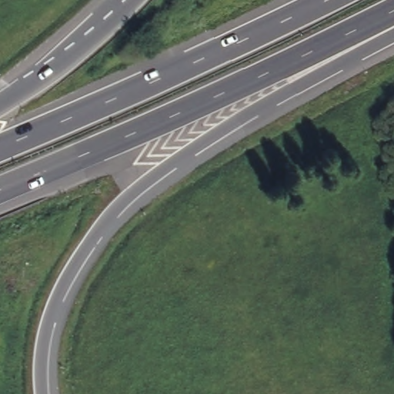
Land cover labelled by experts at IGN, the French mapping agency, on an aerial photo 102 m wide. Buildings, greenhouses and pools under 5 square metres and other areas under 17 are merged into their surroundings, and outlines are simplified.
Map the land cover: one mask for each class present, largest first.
<instances>
[{"label":"herbaceous vegetation","instance_id":"1","mask_svg":"<svg viewBox=\"0 0 394 394\"><path fill-rule=\"evenodd\" d=\"M89 0H0V77L29 52L34 51L40 43L45 42L46 38L51 37L58 28L69 22ZM271 0H214L211 5L199 9L197 14H186L185 11H172L174 0H149L145 8L126 20L122 29L102 48L97 49L88 60L77 66L57 85L43 92L40 97L22 106L26 112L32 111L38 106L52 102L55 98L71 94L98 78L128 68L126 63H119L117 55L132 42V35L140 31L145 23L152 22V18L157 14L171 11L168 28L160 29L162 40L168 49L182 45L188 42L189 38L211 31L222 23L239 18L249 9L266 5ZM379 0H362L316 25L295 32L274 45L266 46L242 60L209 72L174 91L166 92L105 122L89 126L65 139L0 165V172L35 159L52 149L68 145L74 140L82 139L85 135L100 131L106 126L122 122L132 115L166 102L169 98L197 88L212 78L248 65L257 58L265 57L266 54H271ZM394 100V55L371 66L368 72H359L354 77H349L311 102L280 115L274 122L223 149L211 160L186 175L177 185L163 192L151 205L143 206L117 231L97 265L86 274L78 294L75 295V303L68 322L63 328L57 359L60 394H394V342L391 339L392 285L388 263V246L392 235L385 225V211L389 203L379 197L383 185L376 180L374 159L379 146L369 128V117L379 119L388 103ZM345 149L359 166V174L362 175L359 183H346L342 194L328 195L325 192L326 188H323L322 179L317 175L314 179L299 180L297 171L314 169L326 152L342 154ZM289 188H294L295 194L300 195L303 202L297 208L282 211L275 206V200L280 199V195ZM120 189L112 175H102L62 194L46 197L42 203L0 220V394H32V349L35 331L52 283L78 240L82 239V235L94 222L95 217L115 195L119 194Z\"/></svg>","mask_w":394,"mask_h":394},{"label":"impervious surface","instance_id":"2","mask_svg":"<svg viewBox=\"0 0 394 394\"><path fill-rule=\"evenodd\" d=\"M149 0H89L69 22L58 28L51 37L46 38L45 42L40 43L34 51L29 52L0 77V165L65 139L89 126L105 122L166 92L174 91L209 72L242 60L266 46L274 45L295 32L316 25L362 0H271L266 5L249 9L239 18L222 23L211 31L189 38L188 42L182 45L168 49L160 52L154 60L128 68L98 78L71 94L55 98L52 102L38 106L32 111L26 112L22 106L40 97L43 92L57 85L77 66L88 60L97 49L102 48L122 29L126 20L145 8ZM394 55V0H379L271 54H266L265 57L257 58L248 65L212 78L197 88L169 98L166 102L132 115L122 122L106 126L100 131L85 135L82 139L74 140L68 145L52 149L35 159L0 172V220L42 203L46 197L62 194L102 175H112L120 189L119 194L115 195L95 217L94 222L82 235V239L78 240L52 283L35 331L32 349V394H60L57 359L63 328L68 322L75 303V295L78 294L86 274L97 265L117 231L143 206L151 205L163 192L177 185L186 175L211 160L223 149L274 122L280 115L311 102L349 77H354L359 72H368L371 66Z\"/></svg>","mask_w":394,"mask_h":394},{"label":"brushwood","instance_id":"3","mask_svg":"<svg viewBox=\"0 0 394 394\"><path fill-rule=\"evenodd\" d=\"M214 0H174L172 11H185L186 14H197L199 9L211 5ZM171 11L157 14L152 18V22L145 23L140 31L132 35V42L117 55L119 63H126L128 68L154 60L160 52L168 49L162 40L160 29L168 28ZM359 166L345 149L342 154L326 152L314 169L297 171L299 180L314 179L317 175L322 179L323 188H326L325 192L328 195L342 194L346 183H359L362 175L359 174ZM303 202L300 195L295 194L294 188H289L280 195V199L275 200V206L282 211L297 208Z\"/></svg>","mask_w":394,"mask_h":394},{"label":"deciduous trees","instance_id":"4","mask_svg":"<svg viewBox=\"0 0 394 394\"><path fill-rule=\"evenodd\" d=\"M369 128L379 146L374 159L376 180L383 185L379 197L389 203L385 211V225L392 235L388 246V263L392 285L391 339L394 342V100L388 103L379 119L369 117Z\"/></svg>","mask_w":394,"mask_h":394}]
</instances>
